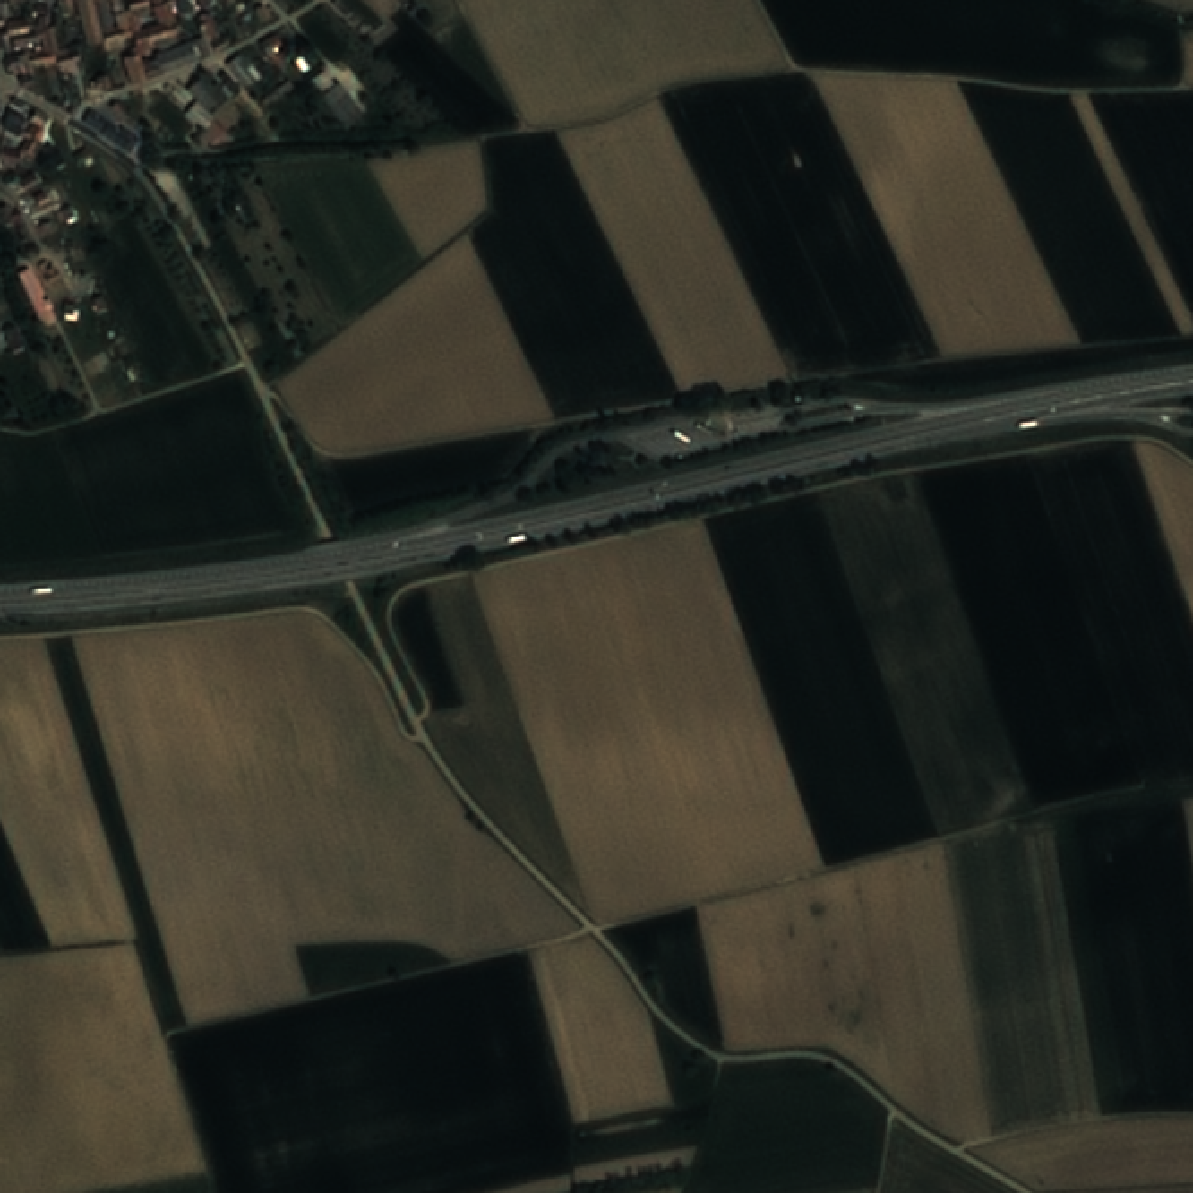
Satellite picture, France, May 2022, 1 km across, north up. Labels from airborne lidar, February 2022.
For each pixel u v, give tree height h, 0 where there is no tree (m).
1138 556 0
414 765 0
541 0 0
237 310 0
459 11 0
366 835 0
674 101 0
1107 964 0
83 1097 0
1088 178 0
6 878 0
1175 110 0
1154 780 0
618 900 0
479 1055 0
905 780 0
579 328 0
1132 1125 0
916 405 0
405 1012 0
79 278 0
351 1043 0
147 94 0
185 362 0
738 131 0
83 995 0
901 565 0
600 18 0
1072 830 0
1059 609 0
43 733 0
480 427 0
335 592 0
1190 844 0
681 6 0
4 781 0
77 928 0
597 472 11
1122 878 0
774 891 0
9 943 0
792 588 0
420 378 0
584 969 0
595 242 0
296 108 0
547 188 0
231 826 0
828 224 0
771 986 0
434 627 0
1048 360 0
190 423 0
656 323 0
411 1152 0
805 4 0
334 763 0
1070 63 0
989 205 0
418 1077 0
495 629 0
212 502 0
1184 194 0
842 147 0
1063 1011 0
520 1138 0
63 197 0
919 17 0
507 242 0
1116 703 0
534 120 0
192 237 0
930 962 0
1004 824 0
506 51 0
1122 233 0
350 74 0
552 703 0
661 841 0
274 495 0
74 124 0
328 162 0
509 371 0
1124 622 0
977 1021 0
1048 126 0
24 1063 0
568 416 0
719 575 0
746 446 9
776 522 0
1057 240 0
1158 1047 0
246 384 0
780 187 0
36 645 0
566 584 0
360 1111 0
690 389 0
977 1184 0
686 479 0
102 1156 0
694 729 0
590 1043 0
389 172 0
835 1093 0
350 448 0
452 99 0
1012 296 0
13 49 0
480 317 0
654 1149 0
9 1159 0
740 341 0
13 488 0
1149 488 0
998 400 0
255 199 0
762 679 0
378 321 0
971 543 0
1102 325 0
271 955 0
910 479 0
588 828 0
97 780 0
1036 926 0
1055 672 0
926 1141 0
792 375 0
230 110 0
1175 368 0
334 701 0
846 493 0
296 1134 0
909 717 0
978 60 0
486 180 0
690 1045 0
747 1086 0
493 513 0
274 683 0
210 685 0
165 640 0
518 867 0
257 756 0
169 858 0
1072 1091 0
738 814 0
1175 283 0
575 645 0
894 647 0
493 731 0
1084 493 0
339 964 0
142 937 0
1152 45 0
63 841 0
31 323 12
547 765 0
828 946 0
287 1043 0
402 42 0
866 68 0
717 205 0
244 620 0
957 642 0
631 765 0
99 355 0
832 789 0
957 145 0
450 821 0
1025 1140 0
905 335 0
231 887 0
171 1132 0
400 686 0
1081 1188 0
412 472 0
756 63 0
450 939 0
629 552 0
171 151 0
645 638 0
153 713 0
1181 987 0
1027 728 0
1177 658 0
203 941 0
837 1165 0
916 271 0
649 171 0
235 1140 0
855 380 0
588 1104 0
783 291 0
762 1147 0
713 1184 0
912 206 0
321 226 0
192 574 0
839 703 0
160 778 0
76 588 0
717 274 0
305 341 6
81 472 0
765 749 0
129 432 0
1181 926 0
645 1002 0
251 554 0
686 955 0
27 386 0
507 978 0
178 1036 0
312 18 0
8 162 0
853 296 0
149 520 0
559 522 0
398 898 0
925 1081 0
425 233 0
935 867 0
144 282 0
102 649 0
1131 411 0
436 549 0
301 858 0
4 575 0
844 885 0
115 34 0
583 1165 0
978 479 0
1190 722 0
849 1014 0
